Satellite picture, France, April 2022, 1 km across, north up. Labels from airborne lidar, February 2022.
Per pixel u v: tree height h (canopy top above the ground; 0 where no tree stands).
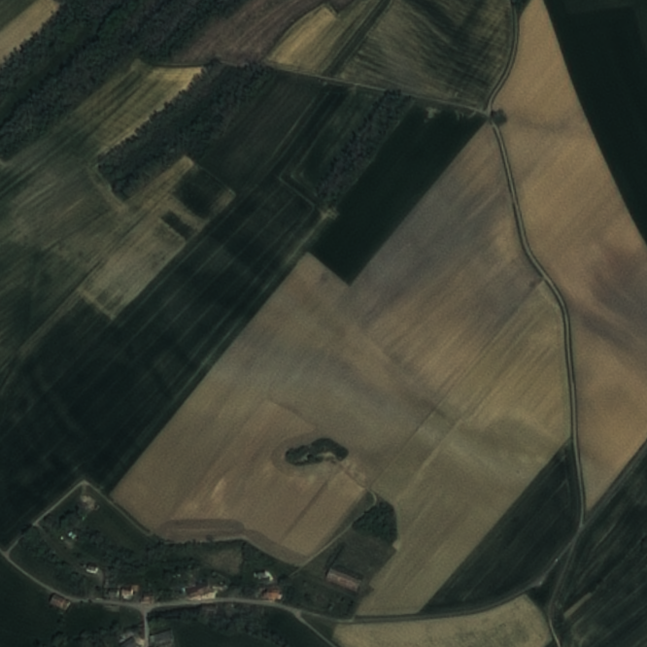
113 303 0
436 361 0
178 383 0
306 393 0
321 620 0
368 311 0
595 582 0
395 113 11
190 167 0
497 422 0
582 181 0
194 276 0
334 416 0
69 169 0
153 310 0
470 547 0
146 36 24
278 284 0
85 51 17
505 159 0
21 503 0
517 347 0
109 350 0
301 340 0
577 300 0
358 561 0
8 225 0
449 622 0
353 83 0
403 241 0
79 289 0
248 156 0
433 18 0
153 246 0
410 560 0
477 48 0
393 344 0
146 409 0
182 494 0
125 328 0
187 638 0
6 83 22
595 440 0
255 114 0
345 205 0
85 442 0
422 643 0
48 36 15
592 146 0
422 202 0
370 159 17
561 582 0
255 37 0
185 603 0
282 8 0
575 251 0
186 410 0
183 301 0
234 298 0
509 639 0
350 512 0
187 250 0
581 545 0
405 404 0
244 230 0
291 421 0
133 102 0
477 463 0
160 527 0
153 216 0
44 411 0
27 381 0
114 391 0
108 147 0
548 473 0
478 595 0
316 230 0
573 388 0
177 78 0
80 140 0
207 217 0
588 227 0
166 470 0
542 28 0
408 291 0
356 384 0
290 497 0
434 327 0
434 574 0
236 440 0
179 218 0
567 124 0
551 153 0
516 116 0
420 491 0
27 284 0
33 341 0
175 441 0
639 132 0
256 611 14
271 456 0
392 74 0
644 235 0
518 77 0
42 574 0
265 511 0
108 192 0
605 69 0
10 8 0
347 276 0
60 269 0
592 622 0
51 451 0
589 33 0
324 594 0
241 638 0
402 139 0
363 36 0
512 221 0
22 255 0
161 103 0
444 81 0
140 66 0
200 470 0
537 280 0
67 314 0
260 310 0
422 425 0
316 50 0
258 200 0
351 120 0
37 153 0
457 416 0
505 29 0
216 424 0
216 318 0
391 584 0
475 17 0
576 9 0
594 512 0
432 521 0
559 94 0
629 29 0
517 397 0
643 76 0
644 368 0
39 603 0
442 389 0
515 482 0
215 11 16
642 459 0
